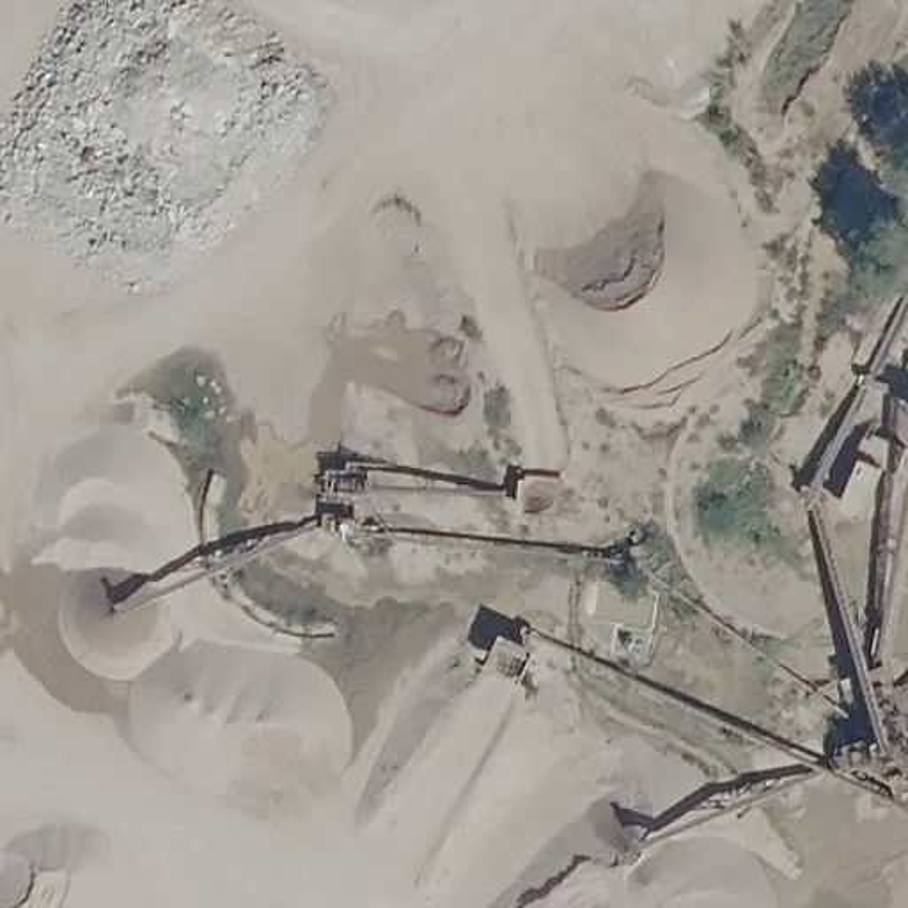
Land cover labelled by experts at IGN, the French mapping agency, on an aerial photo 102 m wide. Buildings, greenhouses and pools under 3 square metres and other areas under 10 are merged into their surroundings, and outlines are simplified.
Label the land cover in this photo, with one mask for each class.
<instances>
[{"label":"pervious surface","instance_id":"1","mask_svg":"<svg viewBox=\"0 0 908 908\"><path fill-rule=\"evenodd\" d=\"M766 0H0V908H908V812L862 791L858 784L826 773L819 766V752L826 738V720L844 716L841 702H851L848 674H855V660L841 614L844 596L865 599V667L880 670V681L897 685V706L908 709V287L901 298L887 291L865 316H848L834 337L816 333L809 351V376H816V387L802 415L773 419L770 433L759 443L738 450H724L720 436L741 429V422L748 419V401H759L763 394V383L738 365V358L752 355L755 344L766 341L777 326L791 323L795 305L805 309V319H816L823 294H837L848 284V262L837 252V241L826 238L816 223L819 199L812 192V177L837 145L844 124L851 121L848 85L869 64L908 71V0H855L848 21L837 32L834 50L826 53L823 67L812 74L805 92L795 99L791 114H763L759 85L766 78V64L777 43L795 21V7H784L780 21L748 57L745 67H738L734 92L727 96L724 110L759 145L766 167L773 163L795 170V181L780 188L773 202V213H763L745 163H738L706 128L709 64L727 50V25L755 21ZM184 348L213 355L227 372L234 404L255 415V436L241 440V461L248 468V482L238 500V518L248 525L241 532L220 536L216 518L227 489L223 479H213L206 521H195L188 475L167 450L177 436L174 419L160 411L149 394H117V387L156 369L163 358ZM497 387H507L511 422L489 436L486 394ZM709 461H741L766 468L773 475V507L766 511L770 521L780 532H802L809 525V539L798 546V568L780 564L748 539L699 532L695 493L709 482ZM638 521L656 525L674 543L688 578L706 599V607L695 617H674L670 610H660L663 596L649 592L646 578L635 571V546L628 539V528ZM252 560L266 564L273 575L294 578L298 585H323L326 596L316 603V624L284 621L262 610L255 599H248L234 571L248 568Z\"/></svg>","mask_w":908,"mask_h":908},{"label":"herbaceous vegetation","instance_id":"2","mask_svg":"<svg viewBox=\"0 0 908 908\"><path fill-rule=\"evenodd\" d=\"M784 7H795V21L777 43L766 64V78L759 85L763 114H791L795 99L805 92L812 74L823 67L826 53L834 50L837 32L848 21L855 0H766L755 21L727 25V50L748 57L780 21ZM117 394H149L160 411L174 419L177 436L167 450L188 475L195 521H206L213 479H223L227 489L216 518L220 536L241 532L248 525L238 518V500L248 482V468L241 461V440L255 436V415L234 404L227 372L213 355L184 348L163 358L156 369L117 387ZM628 539L635 546V571L646 578L649 592L663 596L660 610H670L674 617H695L706 607V599L688 578L674 543L656 525L638 521L628 528ZM248 599H255L262 610L284 621L316 624V603L326 596L323 585H298L294 578L273 575L266 564L252 560L248 568L234 571Z\"/></svg>","mask_w":908,"mask_h":908},{"label":"brushwood","instance_id":"3","mask_svg":"<svg viewBox=\"0 0 908 908\"><path fill-rule=\"evenodd\" d=\"M748 57L727 50L709 64L706 128L738 163H745L763 213H773V202L780 188L795 181V170L773 163L766 167L759 145L724 110L727 96L734 92L738 67H745ZM816 333V319H805V309L795 305L791 323L777 326L766 341L755 344L752 355L738 358V365L763 383V394L759 401H748V419L741 422V429L720 436L724 450H738L759 443L770 433L773 419L802 415L816 387V376H809V351ZM511 422L507 387H497L486 394L489 436ZM773 507V475L766 468L741 461H709V482L695 493L699 532L748 539L780 564L798 568V546L809 539V525L802 532H780L770 521L766 511Z\"/></svg>","mask_w":908,"mask_h":908},{"label":"water","instance_id":"4","mask_svg":"<svg viewBox=\"0 0 908 908\"><path fill-rule=\"evenodd\" d=\"M851 121L844 124L837 145L812 177V192L819 199L816 223L826 238L837 241L841 234L869 227L876 220L887 199L880 177L890 163L908 160V71L869 64L848 85Z\"/></svg>","mask_w":908,"mask_h":908},{"label":"impervious surface","instance_id":"5","mask_svg":"<svg viewBox=\"0 0 908 908\"><path fill-rule=\"evenodd\" d=\"M841 614L855 660V674H848L851 702H841L844 716L826 720V738L819 752V766L826 773L858 784L862 791L908 812V709L897 706V685L880 681V670L865 667V599L844 596Z\"/></svg>","mask_w":908,"mask_h":908},{"label":"deciduous trees","instance_id":"6","mask_svg":"<svg viewBox=\"0 0 908 908\"><path fill-rule=\"evenodd\" d=\"M887 199L876 220L869 227L841 234L837 241V252L848 262V284L837 294H823L816 319V333L834 337L848 316H865L887 291L901 298L908 287V160L890 163L880 177Z\"/></svg>","mask_w":908,"mask_h":908}]
</instances>
